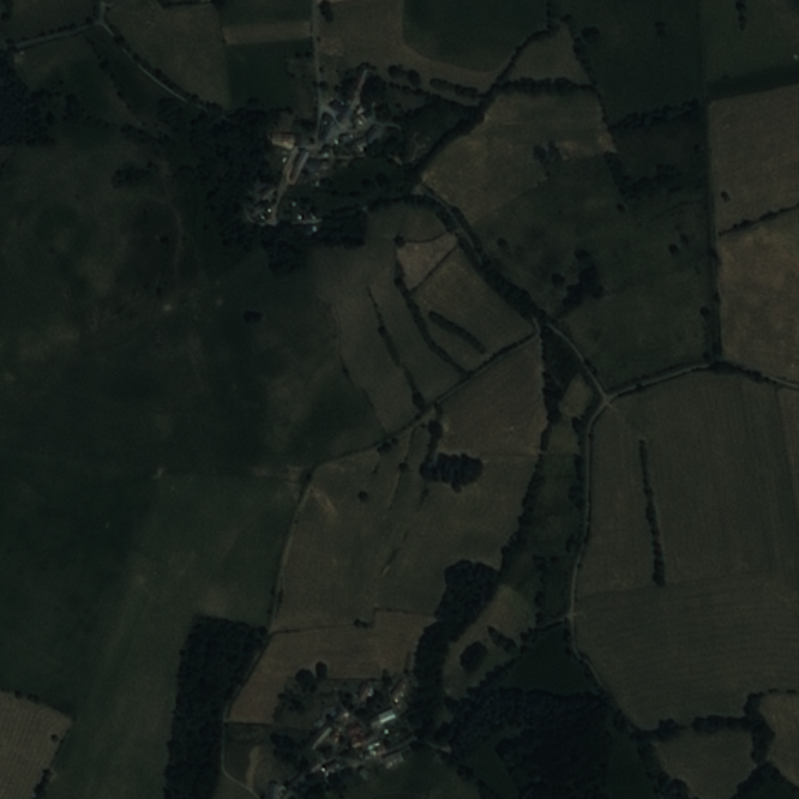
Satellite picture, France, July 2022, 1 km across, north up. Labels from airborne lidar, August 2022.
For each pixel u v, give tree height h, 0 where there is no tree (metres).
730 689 0
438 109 14
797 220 0
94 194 0
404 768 0
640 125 13
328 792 7
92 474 0
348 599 0
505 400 0
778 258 0
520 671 0
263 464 0
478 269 9
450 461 20
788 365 0
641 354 0
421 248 0
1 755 0
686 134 0
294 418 0
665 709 0
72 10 0
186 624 0
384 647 0
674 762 0
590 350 0
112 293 0
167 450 0
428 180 0
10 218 0
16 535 0
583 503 14
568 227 0
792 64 0
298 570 0
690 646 0
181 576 0
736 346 0
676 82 0
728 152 0
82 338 0
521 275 0
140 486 0
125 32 0
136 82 0
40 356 0
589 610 0
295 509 0
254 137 14
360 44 0
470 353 0
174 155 0
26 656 0
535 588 0
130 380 0
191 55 0
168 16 0
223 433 0
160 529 0
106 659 0
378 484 0
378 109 8
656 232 0
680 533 0
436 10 0
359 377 0
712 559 0
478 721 26
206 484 0
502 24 0
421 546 0
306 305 0
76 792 0
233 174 13
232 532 0
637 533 0
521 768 22
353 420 0
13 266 0
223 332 0
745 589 0
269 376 0
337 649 0
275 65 0
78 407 0
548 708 21
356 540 0
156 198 0
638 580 0
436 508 0
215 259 0
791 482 0
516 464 0
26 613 0
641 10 0
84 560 0
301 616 0
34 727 0
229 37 0
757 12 0
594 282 19
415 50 0
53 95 9
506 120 0
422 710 17
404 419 0
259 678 0
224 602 0
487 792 17
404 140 6
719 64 0
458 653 0
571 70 0
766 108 0
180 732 12
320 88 8
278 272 17
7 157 0
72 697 0
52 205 0
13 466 0
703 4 0
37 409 0
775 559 0
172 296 0
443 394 0
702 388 0
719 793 0
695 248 0
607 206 0
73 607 0
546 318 14
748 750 0
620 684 0
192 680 21
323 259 0
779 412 0
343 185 0
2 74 10
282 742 22
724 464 0
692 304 0
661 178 6
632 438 0
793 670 0
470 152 0
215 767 17
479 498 0
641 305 0
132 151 0
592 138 0
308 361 0
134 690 0
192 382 0
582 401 0
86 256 0
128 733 0
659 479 0
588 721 28
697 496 0
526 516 7
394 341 0
